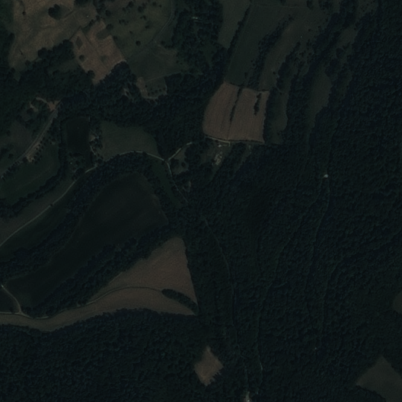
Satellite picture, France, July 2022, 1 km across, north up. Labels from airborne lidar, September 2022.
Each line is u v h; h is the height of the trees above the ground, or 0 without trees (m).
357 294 15
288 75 8
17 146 0
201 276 30
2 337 26
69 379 29
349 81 0
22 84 14
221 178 15
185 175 16
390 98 20
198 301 8
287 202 25
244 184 29
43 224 0
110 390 23
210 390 32
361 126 30
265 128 15
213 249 11
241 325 25
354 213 27
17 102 15
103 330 29
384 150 25
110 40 0
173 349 16
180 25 16
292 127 20
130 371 24
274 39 12
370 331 20
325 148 21
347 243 27
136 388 23
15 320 0
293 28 0
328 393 25
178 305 0
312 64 6
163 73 0
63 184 0
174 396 29
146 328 34
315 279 22
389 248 28
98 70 0
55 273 0
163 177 0
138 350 25
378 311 19
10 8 0
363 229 28
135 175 0
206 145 20
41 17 0
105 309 0
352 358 30
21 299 0
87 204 17
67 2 0
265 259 22
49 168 0
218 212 20
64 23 0
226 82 0
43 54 18
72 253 0
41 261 15
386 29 26
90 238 0
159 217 0
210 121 0
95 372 25
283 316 24
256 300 21
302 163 15
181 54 11
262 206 16
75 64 0
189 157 17
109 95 38
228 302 10
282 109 0
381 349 21
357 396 19
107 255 20
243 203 17
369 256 25
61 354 29
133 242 19
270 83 0
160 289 0
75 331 24
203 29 8
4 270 16
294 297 21
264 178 24
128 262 20
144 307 0
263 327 23
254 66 7
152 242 19
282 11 0
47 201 0
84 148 0
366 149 24
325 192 23
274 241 25
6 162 0
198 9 17
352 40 0
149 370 24
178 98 20
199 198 16
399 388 0
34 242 0
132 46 0
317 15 0
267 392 24
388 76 8
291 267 21
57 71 8
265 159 23
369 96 26
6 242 0
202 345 30
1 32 13
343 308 26
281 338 14
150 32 0
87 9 0
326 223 27
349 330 25
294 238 27
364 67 29
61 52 16
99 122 13
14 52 0
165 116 20
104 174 22
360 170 25
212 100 0
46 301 14
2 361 8
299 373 19
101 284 19
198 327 29
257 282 21
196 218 27
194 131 12
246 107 0
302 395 33
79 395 28
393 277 19
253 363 16
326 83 0
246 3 0
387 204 29
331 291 22
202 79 16
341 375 22
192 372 23
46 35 0
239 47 0
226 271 8
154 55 0
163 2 0
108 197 0
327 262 22
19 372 25
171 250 0
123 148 0
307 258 29
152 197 0
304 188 23
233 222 19
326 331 11
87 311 0
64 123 8
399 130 22
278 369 26
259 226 17
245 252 24
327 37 18
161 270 0
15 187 0
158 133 32
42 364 22
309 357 28
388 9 23
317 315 23
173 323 27
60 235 16
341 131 24
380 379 0
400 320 24
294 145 22
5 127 21
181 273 0
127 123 12
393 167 25
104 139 0
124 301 0
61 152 14
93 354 21
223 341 14
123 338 29
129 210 0
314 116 0
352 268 24
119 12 0
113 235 0
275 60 0
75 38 0
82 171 17
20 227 0
